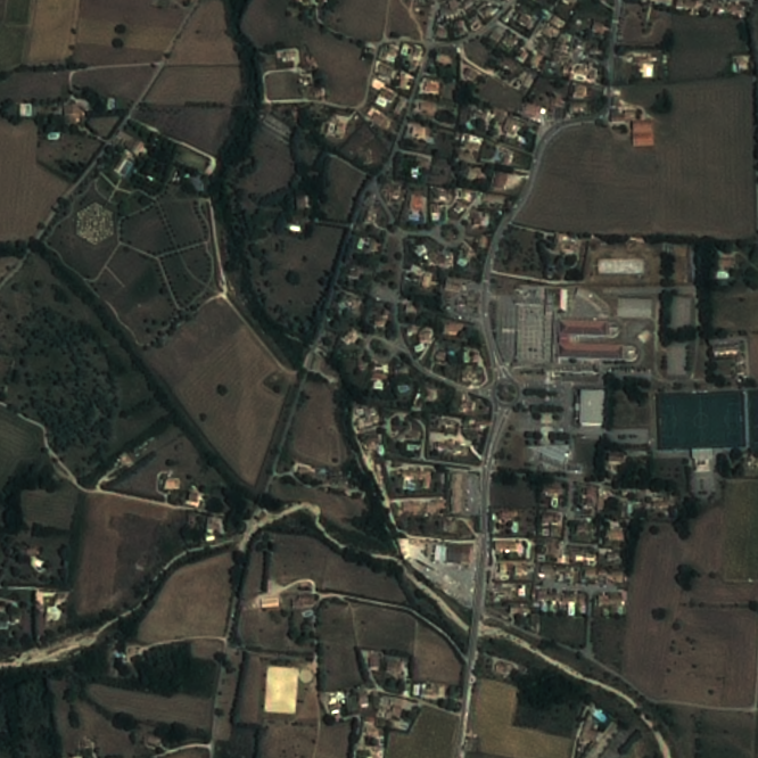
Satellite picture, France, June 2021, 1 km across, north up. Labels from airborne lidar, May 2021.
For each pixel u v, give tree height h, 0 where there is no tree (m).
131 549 0
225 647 0
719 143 0
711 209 0
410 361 12
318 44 0
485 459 0
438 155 18
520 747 0
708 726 0
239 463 0
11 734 15
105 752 0
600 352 0
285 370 0
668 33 8
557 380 0
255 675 0
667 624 0
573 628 0
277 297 0
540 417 9
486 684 0
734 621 0
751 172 0
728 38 0
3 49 0
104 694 0
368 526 7
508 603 10
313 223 8
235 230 7
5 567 10
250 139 10
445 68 12
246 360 0
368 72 0
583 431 0
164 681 8
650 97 0
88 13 0
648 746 0
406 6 0
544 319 0
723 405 0
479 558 0
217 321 0
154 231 0
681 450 0
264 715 0
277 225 9
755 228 0
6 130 0
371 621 0
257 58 10
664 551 0
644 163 0
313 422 0
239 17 9
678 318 0
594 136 0
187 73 0
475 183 9
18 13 0
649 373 0
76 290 9
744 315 0
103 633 0
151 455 7
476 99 10
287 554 0
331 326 10
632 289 0
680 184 0
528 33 11
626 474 11
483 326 0
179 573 0
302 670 0
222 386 9
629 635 0
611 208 0
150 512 0
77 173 13
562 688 6
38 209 0
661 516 10
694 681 0
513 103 0
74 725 9
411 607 7
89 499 0
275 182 0
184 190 8
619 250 0
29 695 19
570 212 0
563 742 0
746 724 0
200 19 0
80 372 15
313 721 0
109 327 10
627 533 15
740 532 0
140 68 0
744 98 0
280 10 0
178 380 0
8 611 15
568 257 11
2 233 0
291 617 6
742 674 0
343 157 7
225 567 0
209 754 0
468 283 0
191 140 0
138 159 10
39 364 0
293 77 0
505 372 0
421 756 0
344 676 0
